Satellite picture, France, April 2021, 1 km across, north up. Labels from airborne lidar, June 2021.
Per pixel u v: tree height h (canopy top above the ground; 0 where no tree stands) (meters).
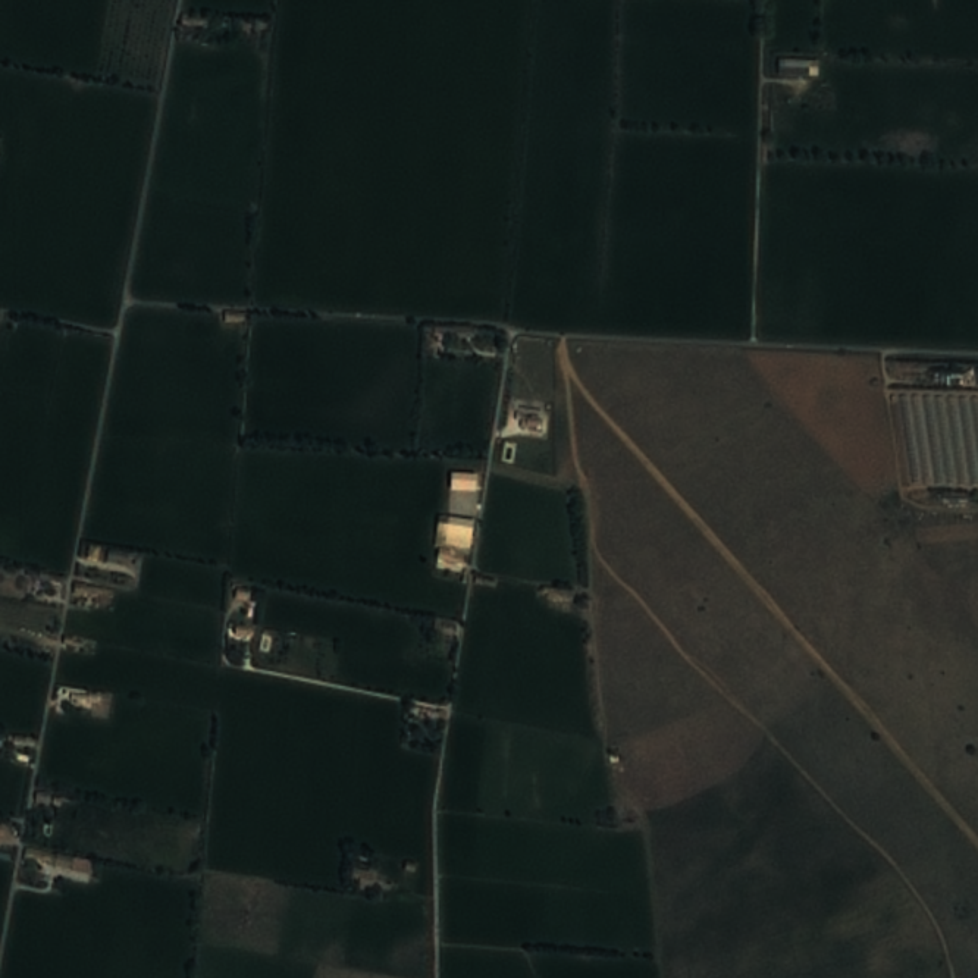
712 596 0
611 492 0
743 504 0
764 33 19
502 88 0
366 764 0
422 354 7
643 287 0
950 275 0
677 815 0
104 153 0
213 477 0
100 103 0
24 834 7
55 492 0
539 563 0
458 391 0
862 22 0
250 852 0
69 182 0
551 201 0
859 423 0
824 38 14
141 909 0
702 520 0
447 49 0
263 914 0
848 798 0
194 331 0
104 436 0
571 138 0
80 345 0
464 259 0
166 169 0
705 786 0
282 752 0
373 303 0
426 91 0
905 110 0
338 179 0
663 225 0
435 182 0
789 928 0
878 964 0
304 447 15
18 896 0
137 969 0
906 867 0
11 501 0
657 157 0
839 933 0
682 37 0
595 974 0
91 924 0
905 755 0
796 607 0
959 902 0
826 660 0
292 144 0
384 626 0
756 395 0
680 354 0
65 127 0
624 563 0
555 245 0
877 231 0
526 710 0
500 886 0
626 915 0
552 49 0
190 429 0
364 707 0
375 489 0
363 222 0
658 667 0
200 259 0
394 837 0
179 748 0
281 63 0
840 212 0
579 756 0
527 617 0
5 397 0
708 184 0
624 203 0
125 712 0
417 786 0
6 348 0
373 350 0
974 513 0
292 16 0
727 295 0
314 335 0
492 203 0
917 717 0
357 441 0
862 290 0
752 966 0
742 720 0
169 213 0
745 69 0
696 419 0
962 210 0
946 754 0
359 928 0
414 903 0
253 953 0
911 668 0
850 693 0
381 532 0
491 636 0
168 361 0
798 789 0
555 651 0
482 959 0
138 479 0
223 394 0
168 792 0
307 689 0
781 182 0
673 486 0
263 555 0
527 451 0
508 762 0
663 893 0
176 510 0
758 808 0
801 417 0
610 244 0
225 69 0
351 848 14
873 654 0
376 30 0
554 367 0
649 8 0
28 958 0
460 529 0
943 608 0
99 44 0
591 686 0
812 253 0
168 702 0
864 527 0
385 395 0
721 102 0
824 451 0
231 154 0
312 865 0
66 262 0
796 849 0
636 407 0
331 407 0
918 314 0
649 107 0
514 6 0
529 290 0
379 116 0
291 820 0
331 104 0
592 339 0
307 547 0
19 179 0
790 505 0
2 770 0
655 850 0
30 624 0
